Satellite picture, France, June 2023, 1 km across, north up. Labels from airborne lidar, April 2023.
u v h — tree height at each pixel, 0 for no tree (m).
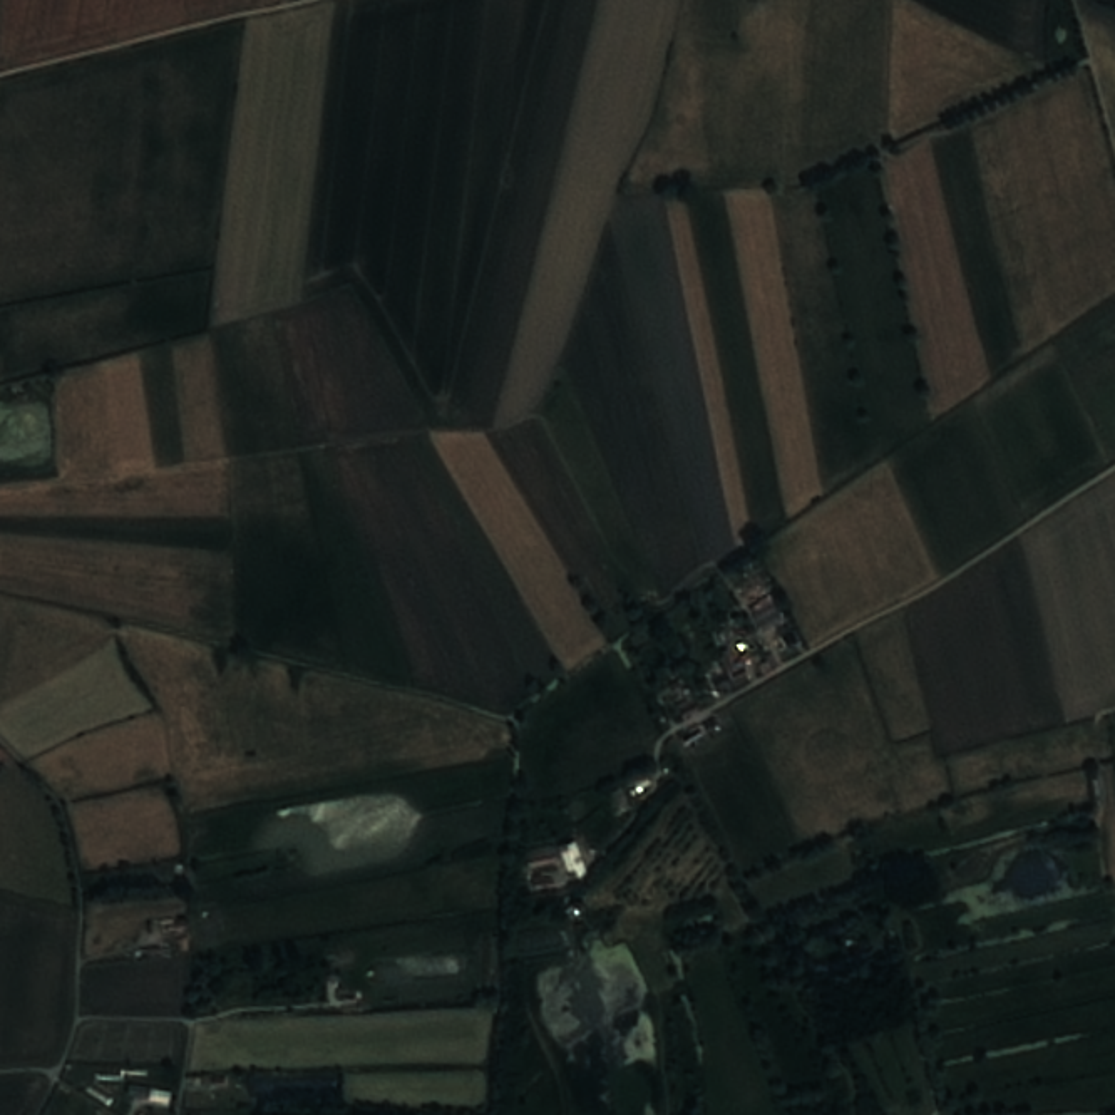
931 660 0
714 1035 0
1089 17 0
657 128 0
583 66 0
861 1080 8
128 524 0
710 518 0
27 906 0
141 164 0
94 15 0
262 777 0
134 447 0
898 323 0
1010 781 9
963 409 0
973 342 0
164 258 0
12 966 0
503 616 0
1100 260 0
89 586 0
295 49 0
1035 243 0
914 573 0
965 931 0
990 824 0
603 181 0
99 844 0
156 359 0
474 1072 0
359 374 0
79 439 0
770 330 0
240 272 0
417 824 0
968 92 0
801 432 0
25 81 0
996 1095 0
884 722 0
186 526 0
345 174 0
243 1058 0
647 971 0
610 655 0
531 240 0
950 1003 0
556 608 0
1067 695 0
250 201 0
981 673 0
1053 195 0
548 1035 0
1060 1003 0
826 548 0
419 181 0
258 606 0
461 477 0
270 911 0
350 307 0
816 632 0
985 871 0
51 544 0
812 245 0
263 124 0
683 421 0
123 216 0
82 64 0
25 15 0
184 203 0
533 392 0
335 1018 0
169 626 0
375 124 0
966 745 0
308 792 0
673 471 0
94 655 0
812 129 0
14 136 0
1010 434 0
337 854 0
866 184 0
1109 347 0
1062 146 0
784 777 0
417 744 0
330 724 0
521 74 0
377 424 0
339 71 0
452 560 0
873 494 0
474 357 0
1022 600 0
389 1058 0
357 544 0
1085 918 0
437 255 0
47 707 0
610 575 0
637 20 0
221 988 5
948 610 0
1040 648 0
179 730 0
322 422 0
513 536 0
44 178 0
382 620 0
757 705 0
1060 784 0
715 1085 0
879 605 0
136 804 0
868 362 0
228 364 0
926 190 0
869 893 17
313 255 0
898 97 0
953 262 0
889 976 17
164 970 0
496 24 0
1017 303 0
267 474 0
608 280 0
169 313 0
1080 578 0
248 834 0
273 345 0
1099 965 0
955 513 0
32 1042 0
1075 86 0
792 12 0
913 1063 0
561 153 0
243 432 0
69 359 0
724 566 10
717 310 0
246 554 0
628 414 0
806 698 0
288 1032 0
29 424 0
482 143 0
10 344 0
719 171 0
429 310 0
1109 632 0
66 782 0
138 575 0
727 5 0
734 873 8
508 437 0
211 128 0
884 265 0
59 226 0
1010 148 0
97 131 0
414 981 0
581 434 0
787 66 0
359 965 0
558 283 0
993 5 0
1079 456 0
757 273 0
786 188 0
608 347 0
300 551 0
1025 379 0
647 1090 0
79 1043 0
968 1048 0
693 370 0
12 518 0
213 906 0
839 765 0
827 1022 13
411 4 0
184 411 0
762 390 0
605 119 0
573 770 0
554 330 0
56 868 0
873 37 0
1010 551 0
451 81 0
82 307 0
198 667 0
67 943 0
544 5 0
